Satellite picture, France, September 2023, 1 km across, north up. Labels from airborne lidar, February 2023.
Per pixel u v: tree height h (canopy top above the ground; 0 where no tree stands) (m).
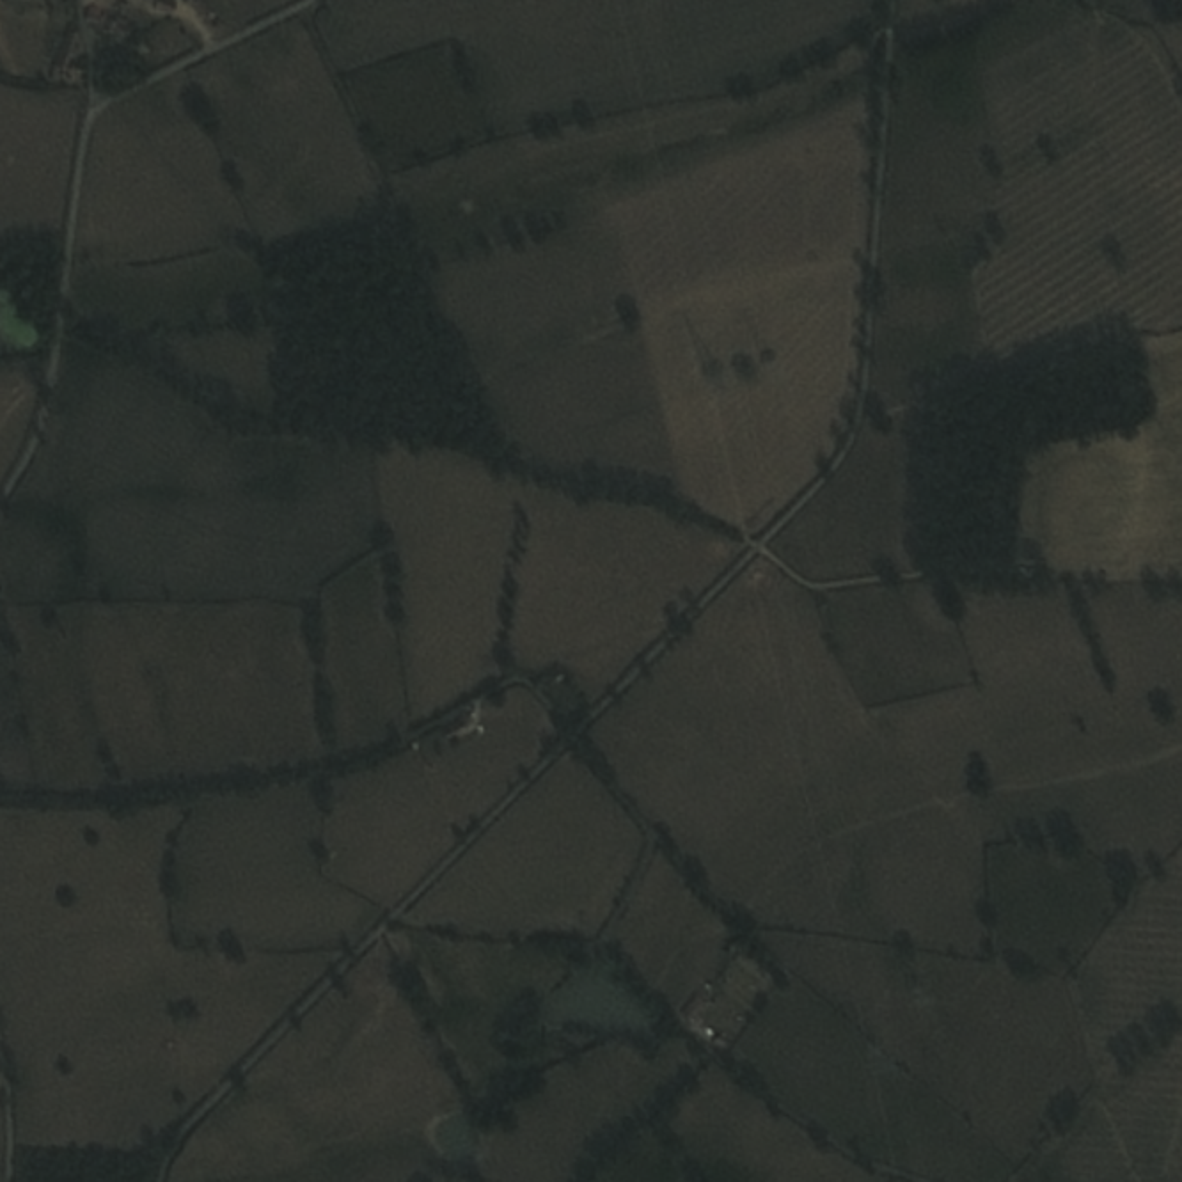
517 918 0
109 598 13
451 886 0
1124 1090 0
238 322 22
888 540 0
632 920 0
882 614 0
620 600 0
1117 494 0
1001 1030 0
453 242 0
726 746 0
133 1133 0
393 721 0
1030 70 0
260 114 0
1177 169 0
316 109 0
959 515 24
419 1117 0
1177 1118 0
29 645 0
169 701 0
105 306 0
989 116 0
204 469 0
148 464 0
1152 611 0
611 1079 0
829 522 0
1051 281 0
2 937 0
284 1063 0
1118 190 0
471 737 0
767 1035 0
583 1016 0
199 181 0
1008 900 0
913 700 0
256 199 0
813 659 0
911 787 0
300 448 0
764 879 0
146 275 0
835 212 0
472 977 0
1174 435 0
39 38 0
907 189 0
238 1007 0
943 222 0
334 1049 0
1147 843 0
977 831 0
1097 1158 0
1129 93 0
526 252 0
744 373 13
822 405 0
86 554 0
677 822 0
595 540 0
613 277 0
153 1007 0
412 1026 0
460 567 0
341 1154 0
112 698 0
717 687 0
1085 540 0
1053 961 0
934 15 0
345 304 22
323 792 17
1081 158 0
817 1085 0
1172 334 0
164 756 0
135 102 0
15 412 0
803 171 0
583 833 0
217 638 0
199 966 0
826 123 0
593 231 0
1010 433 25
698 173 0
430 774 0
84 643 0
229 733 0
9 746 0
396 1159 0
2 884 0
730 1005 0
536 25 0
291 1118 0
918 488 23
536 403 0
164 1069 0
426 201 0
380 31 0
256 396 0
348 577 0
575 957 20
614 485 18
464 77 16
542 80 0
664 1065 0
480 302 0
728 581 0
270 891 0
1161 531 0
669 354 0
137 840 0
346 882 0
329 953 0
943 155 0
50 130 0
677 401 0
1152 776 0
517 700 0
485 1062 0
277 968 0
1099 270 0
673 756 0
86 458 0
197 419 0
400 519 0
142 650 0
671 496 20
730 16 0
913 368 0
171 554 0
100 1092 0
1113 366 20
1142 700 0
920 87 0
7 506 14
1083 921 0
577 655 0
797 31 0
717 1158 0
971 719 0
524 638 0
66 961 0
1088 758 0
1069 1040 0
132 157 0
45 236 16
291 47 0
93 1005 0
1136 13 0
